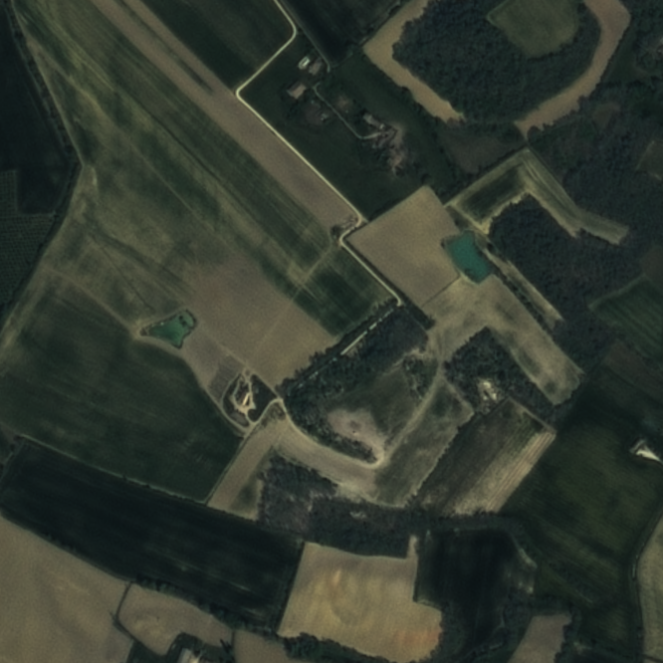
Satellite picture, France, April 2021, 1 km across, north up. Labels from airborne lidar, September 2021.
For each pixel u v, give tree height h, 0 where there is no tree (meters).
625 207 16
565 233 13
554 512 0
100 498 0
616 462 0
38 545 0
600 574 0
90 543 0
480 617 0
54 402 0
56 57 0
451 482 0
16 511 0
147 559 0
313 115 0
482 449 0
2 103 0
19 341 0
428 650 0
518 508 0
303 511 13
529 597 19
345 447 12
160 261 0
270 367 0
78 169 10
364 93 0
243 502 0
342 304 0
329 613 0
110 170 0
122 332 0
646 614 0
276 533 14
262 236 0
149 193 0
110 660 0
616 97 19
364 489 0
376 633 0
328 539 19
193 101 0
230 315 0
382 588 0
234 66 0
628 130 11
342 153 0
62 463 0
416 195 0
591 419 0
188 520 0
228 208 0
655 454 8
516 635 13
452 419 0
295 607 0
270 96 0
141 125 0
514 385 7
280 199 0
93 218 0
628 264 9
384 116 0
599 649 9
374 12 0
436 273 0
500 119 16
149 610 0
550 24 0
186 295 0
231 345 0
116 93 0
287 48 0
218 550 0
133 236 0
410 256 0
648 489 0
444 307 0
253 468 0
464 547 0
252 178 0
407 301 7
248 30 0
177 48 0
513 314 0
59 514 0
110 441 0
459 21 14
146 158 0
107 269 0
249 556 0
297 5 0
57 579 0
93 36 0
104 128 0
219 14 0
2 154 0
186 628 0
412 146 0
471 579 0
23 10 0
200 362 0
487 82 11
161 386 0
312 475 14
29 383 0
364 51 7
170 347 0
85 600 0
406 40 16
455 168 13
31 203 0
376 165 0
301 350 0
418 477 0
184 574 0
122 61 0
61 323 0
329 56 0
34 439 0
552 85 23
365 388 0
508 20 0
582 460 0
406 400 0
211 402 0
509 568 0
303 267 0
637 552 0
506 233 10
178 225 0
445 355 0
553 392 0
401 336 19
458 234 0
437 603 0
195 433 0
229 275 0
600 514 0
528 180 0
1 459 0
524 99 11
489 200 0
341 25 0
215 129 0
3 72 0
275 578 0
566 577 10
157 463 0
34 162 0
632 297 0
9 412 0
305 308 0
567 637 16
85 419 0
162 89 0
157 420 0
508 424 0
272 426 0
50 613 0
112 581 0
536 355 0
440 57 11
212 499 0
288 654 12
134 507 0
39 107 0
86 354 0
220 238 0
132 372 0
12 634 0
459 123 14
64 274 0
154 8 0
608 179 11
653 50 13
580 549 0
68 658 0
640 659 12
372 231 0
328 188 0
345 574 0
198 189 0
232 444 0
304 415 12
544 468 0
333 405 0
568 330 15
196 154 0
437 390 0
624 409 0
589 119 14
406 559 11
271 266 0
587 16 20
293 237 0
